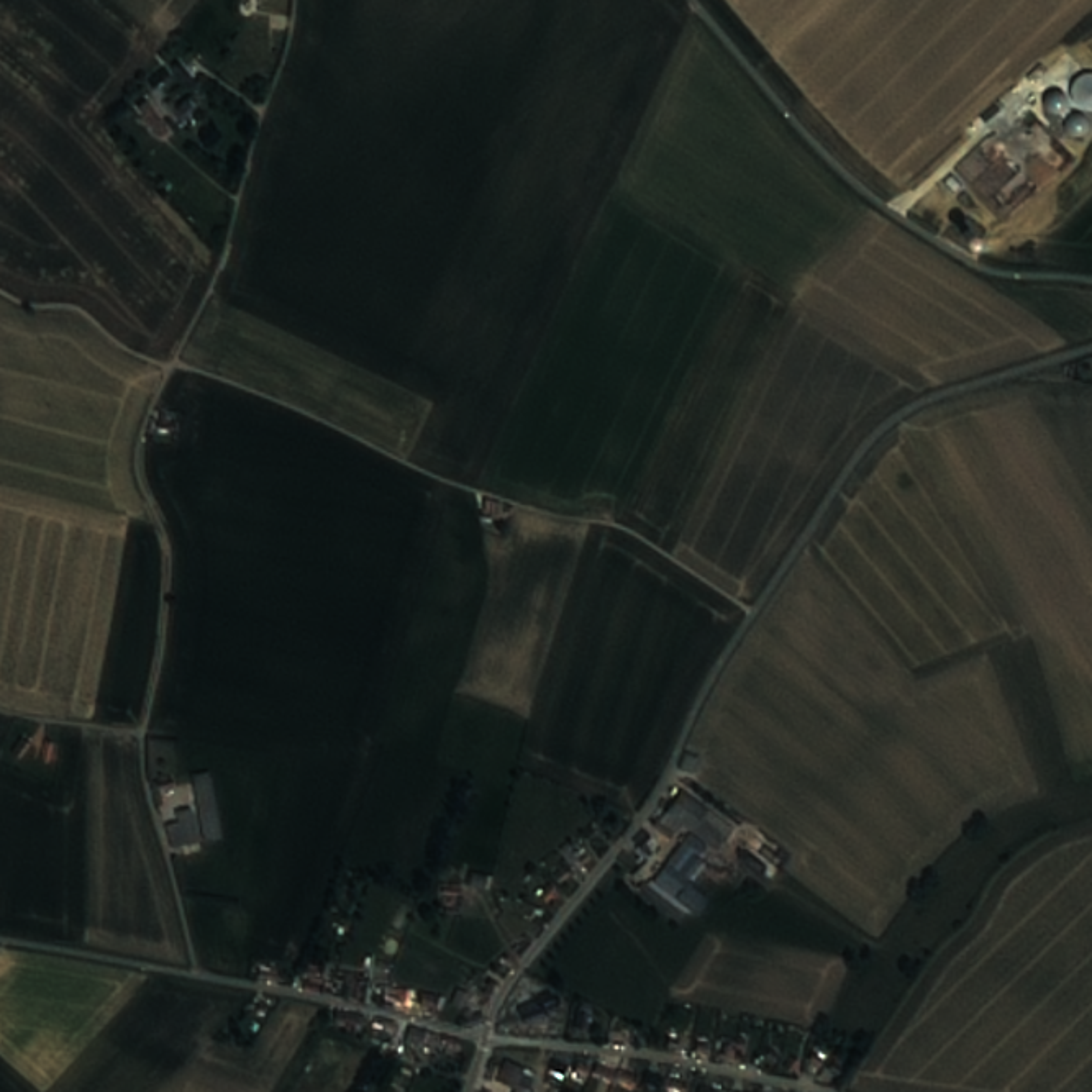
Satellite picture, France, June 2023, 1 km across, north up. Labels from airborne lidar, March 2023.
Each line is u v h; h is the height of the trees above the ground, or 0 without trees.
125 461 0
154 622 0
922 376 0
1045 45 0
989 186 0
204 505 0
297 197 0
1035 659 0
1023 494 0
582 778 0
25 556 0
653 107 0
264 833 0
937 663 0
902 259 0
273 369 0
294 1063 0
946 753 0
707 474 0
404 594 0
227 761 0
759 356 0
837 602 0
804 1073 0
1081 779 0
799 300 0
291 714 0
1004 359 0
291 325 0
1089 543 0
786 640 0
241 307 0
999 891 0
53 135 0
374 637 0
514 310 0
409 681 0
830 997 0
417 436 0
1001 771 0
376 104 0
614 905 0
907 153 0
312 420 0
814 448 0
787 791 0
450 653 0
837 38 0
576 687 0
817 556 0
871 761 0
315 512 0
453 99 0
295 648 0
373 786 0
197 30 0
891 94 0
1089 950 0
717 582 0
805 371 0
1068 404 0
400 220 0
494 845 0
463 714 0
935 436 0
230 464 0
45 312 0
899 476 0
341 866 15
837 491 0
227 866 0
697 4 0
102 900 0
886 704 0
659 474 0
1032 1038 0
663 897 0
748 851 0
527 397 0
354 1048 0
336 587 0
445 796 0
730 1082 0
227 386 0
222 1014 0
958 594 0
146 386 0
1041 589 0
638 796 0
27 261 0
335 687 0
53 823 0
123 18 0
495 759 0
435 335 0
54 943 0
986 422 0
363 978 6
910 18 0
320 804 0
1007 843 0
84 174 0
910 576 0
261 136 0
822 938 0
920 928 0
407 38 0
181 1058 0
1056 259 0
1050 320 0
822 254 0
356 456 0
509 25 0
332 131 0
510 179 0
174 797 0
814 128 0
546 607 0
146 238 0
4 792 0
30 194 0
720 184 0
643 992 0
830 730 0
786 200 0
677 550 0
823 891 0
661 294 0
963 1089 0
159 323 0
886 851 0
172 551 0
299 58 0
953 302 0
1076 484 0
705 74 0
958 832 0
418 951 0
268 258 0
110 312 0
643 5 0
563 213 0
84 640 0
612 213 0
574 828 0
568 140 0
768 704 0
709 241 0
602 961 0
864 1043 11
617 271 0
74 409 0
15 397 0
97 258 0
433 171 0
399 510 0
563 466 0
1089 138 0
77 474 0
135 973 0
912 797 0
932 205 0
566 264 0
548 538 0
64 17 0
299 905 0
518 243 0
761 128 0
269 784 0
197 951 0
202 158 10
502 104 0
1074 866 0
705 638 0
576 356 0
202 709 0
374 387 0
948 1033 0
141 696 0
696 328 0
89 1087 0
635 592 0
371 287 0
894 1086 0
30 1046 0
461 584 0
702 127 0
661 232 0
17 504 0
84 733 0
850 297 0
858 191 0
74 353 0
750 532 0
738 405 0
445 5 0
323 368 0
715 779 0
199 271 0
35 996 0
